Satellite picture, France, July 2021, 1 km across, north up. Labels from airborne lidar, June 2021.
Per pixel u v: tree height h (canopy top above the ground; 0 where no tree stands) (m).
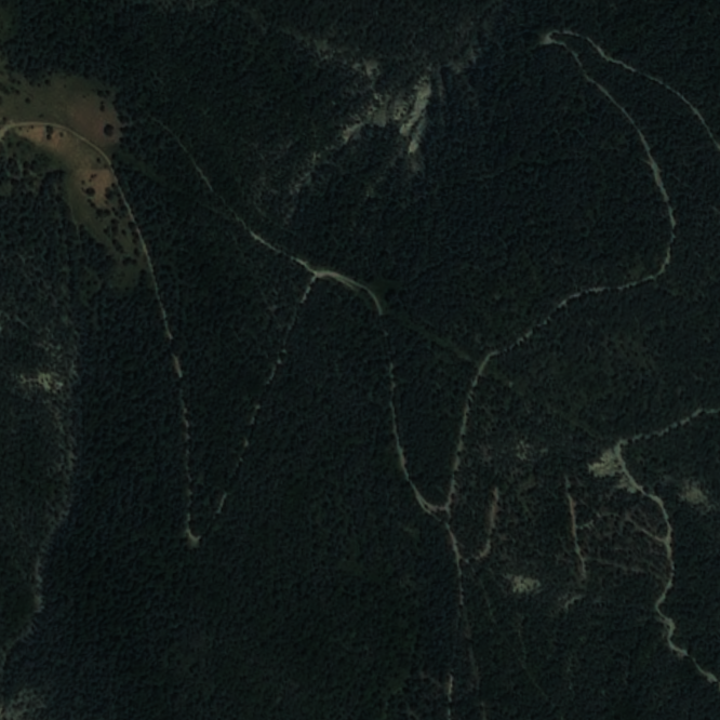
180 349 15
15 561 7
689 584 15
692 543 13
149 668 10
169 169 16
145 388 10
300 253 10
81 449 9
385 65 11
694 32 12
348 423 10
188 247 12
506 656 9
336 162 9
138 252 8
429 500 9
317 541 7
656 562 12
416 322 10
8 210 14
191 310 14
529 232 10
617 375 12
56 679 10
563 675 9
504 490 18
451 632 13
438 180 8
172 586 7
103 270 13
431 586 7
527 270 11
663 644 13
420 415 12
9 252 20
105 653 6
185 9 7
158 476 10
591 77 12
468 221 15
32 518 9
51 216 7
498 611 12
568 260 11
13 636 8
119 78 15
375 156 11
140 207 11
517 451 7
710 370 9
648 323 13
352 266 9
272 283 10
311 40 8
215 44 13
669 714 12
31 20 8
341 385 15
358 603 11
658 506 12
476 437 10
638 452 6
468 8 11
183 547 7
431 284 11
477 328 10
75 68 13
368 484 17
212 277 15
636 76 10
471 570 8
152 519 10
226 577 11
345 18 18
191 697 12
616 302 13
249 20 7
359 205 11
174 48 8
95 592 13
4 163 8
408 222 9
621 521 8
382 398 8
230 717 14
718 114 8
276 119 9
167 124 7
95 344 8
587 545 14
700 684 12
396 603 17
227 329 18
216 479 16
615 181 13
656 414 10
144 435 16
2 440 6
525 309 10
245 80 12
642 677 10
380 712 13
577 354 12
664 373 11
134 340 15
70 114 0
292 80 6
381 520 11
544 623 9
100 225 0
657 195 12
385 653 15
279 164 9
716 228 7
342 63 7
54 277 10
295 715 14
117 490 13
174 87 9
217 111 8
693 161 13
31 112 0
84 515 15
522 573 6
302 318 12
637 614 10
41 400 8
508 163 17
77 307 10
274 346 9
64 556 14
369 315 12
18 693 7
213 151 10
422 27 6
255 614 11
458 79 9
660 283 8
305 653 15
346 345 10
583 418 12
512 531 16
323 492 14
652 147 7
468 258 15
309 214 12
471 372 12
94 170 0
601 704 6
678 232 13
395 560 11
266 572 15
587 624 7
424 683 13
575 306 14
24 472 13
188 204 9
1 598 16
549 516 9
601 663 8
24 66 14
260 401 8
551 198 12
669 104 11
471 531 8
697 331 11
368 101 8
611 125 12
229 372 14
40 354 10
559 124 15
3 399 14
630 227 13
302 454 19
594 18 6
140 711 9
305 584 16
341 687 12
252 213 7
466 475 15
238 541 15
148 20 11
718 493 9
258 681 16
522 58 9
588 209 10
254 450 13
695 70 16
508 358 12
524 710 14
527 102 8
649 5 12
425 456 7
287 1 11
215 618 13
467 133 14
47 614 12
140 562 21
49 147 0
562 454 7
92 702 10
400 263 13
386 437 7
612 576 14
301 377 16
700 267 12
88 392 7
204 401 10
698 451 13
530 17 13
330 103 12
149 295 9
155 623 12
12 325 12
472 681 11
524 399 8
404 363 10
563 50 13
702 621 12
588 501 9
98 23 21
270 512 12
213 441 17
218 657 10
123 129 9
